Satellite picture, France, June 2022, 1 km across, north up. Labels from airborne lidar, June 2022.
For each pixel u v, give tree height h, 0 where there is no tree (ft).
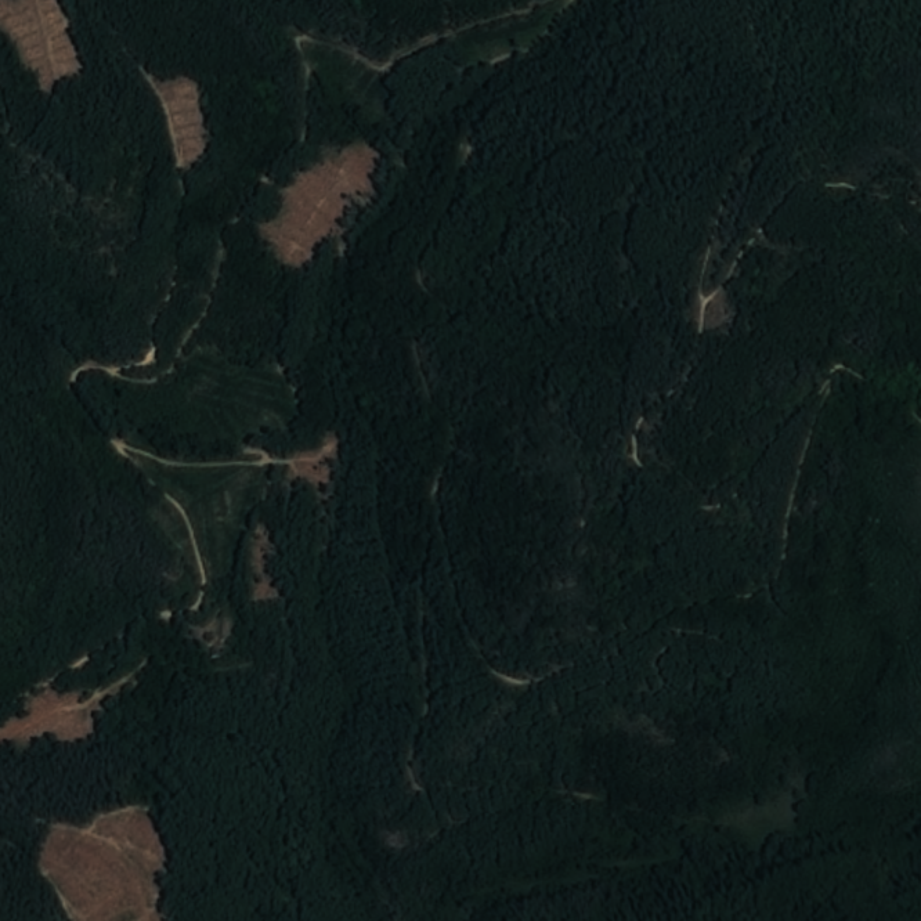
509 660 51
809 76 60
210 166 60
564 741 59
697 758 52
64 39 0
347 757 75
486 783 42
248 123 80
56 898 66
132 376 47
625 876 29
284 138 72
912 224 52
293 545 102
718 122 50
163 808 85
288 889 66
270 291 48
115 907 0
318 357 71
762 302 41
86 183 89
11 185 52
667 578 71
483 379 34
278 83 85
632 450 41
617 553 25
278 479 78
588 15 47
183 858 109
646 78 74
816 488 38
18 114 56
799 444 63
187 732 60
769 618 57
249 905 79
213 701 103
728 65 66
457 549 39
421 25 62
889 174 31
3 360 74
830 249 46
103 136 62
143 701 28
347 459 59
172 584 33
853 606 25
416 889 43
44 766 85
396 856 39
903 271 49
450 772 60
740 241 45
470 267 44
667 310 56
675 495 40
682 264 61
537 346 79
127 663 93
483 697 66
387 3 61
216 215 37
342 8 57
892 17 44
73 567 85
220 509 0
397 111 103
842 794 23
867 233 66
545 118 56
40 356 81
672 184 47
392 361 27
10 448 86
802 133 68
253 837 86
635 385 55
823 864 90
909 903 77
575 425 48
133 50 71
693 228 68
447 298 35
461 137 42
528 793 48
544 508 26
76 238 18
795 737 21
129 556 69
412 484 41
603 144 58
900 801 38
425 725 37
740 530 53
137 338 46
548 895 27
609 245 69
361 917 82
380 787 61
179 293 39
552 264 83
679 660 68
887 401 31
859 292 84
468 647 67
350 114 72
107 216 21
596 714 46
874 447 18
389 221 72
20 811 89
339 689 107
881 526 18
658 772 52
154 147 55
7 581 54
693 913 50
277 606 99
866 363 26
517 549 26
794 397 25
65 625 54
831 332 54
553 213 73
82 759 92
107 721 102
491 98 65
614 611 33
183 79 81
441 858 82
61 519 72
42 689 33
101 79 70
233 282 54
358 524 43
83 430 28
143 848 0
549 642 30
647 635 49
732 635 78
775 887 88
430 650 33
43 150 88
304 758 99
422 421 61
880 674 43
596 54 73
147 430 74
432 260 45
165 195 85
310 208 0
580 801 34
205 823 79
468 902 32
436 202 69
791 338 59
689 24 70
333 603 61
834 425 19
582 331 74
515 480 35
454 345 37
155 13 78
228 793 90
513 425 44
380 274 31
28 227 35
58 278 56
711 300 0
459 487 33
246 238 42
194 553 0
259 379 0
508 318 75
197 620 72
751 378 59
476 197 68
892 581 19
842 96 28
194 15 58
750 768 28
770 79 54
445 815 61
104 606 71
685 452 51
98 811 94
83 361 39
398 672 89
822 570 33
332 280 81
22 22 0
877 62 43
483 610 58
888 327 52
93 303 47
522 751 61
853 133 25
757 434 56
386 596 68
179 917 92
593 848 18
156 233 83
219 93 57
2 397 78
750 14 54
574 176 81
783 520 52
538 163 40
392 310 52
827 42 37
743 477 34
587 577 29
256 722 103
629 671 66
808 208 57
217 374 0
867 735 25
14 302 99
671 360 48
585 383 53
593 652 52
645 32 91
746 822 0
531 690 41
